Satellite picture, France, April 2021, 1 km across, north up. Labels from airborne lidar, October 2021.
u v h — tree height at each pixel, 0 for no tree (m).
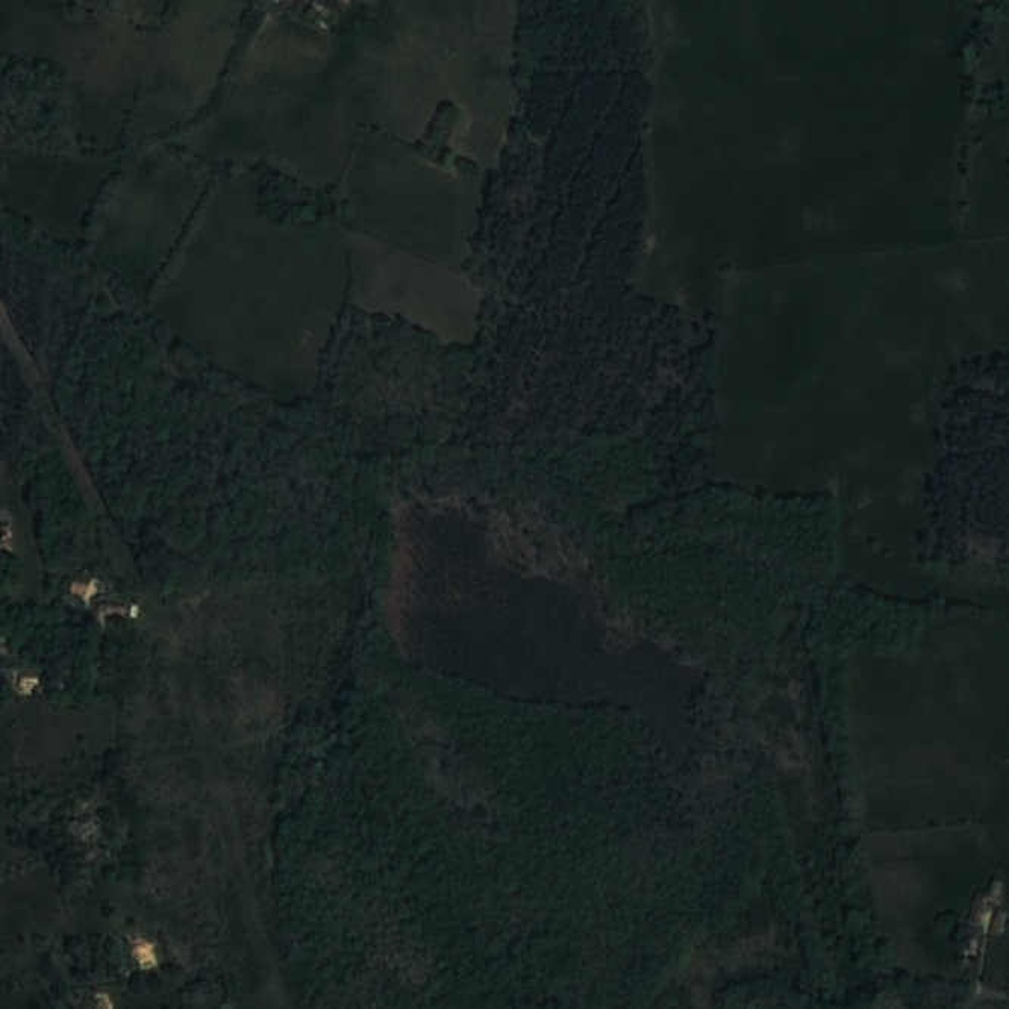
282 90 0
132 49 0
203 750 0
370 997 10
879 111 0
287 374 0
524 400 16
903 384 0
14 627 17
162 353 21
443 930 13
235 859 0
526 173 22
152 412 22
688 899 18
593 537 22
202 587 18
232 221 0
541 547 10
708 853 13
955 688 0
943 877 0
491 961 23
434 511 9
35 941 13
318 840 15
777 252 0
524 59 13
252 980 0
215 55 0
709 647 17
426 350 21
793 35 0
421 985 7
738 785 10
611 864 16
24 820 8
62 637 20
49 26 0
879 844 0
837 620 22
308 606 5
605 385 16
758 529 21
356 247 0
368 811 14
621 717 17
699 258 0
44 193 0
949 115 0
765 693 16
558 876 16
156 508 22
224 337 0
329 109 0
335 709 10
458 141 0
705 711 15
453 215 0
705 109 0
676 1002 8
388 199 0
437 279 0
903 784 0
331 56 0
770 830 17
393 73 0
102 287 16
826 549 21
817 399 0
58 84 21
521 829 14
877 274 0
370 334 15
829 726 15
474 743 17
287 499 13
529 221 18
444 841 20
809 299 0
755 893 15
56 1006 20
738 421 0
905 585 0
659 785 16
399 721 16
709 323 14
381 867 10
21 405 17
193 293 0
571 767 18
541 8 14
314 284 0
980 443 17
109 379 24
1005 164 0
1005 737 0
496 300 14
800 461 0
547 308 17
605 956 15
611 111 14
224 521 21
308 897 15
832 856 8
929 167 0
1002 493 23
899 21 0
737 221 0
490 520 13
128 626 17
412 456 23
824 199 0
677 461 12
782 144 0
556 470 24
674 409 18
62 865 11
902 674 0
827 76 0
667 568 21
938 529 16
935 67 0
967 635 0
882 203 0
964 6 0
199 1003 10
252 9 7
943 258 0
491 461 25
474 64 0
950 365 0
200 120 6
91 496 0
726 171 0
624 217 17
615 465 24
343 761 29
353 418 6
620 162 17
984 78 0
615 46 17
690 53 0
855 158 0
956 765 0
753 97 0
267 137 0
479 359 15
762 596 20
